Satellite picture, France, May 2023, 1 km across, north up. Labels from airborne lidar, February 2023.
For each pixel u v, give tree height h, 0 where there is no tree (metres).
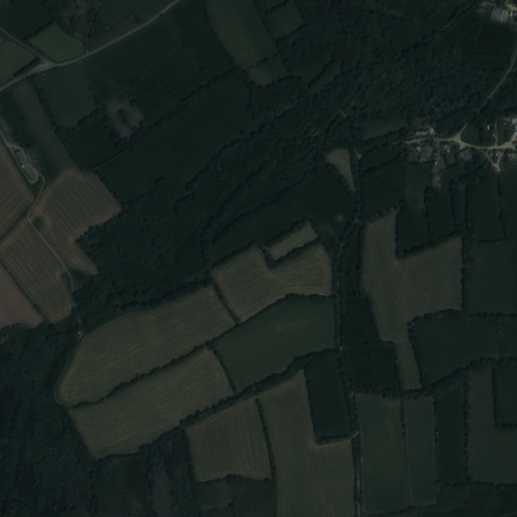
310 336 0
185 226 13
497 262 0
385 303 0
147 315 0
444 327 0
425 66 15
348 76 23
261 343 0
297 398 0
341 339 8
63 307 0
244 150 19
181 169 0
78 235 0
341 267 11
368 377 0
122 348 0
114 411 0
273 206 9
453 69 7
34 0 0
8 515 18
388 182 0
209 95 0
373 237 0
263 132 19
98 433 0
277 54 6
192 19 0
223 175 23
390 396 13
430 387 13
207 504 0
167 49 0
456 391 0
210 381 0
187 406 0
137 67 0
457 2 0
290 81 16
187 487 6
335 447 0
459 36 0
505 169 0
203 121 0
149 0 0
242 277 0
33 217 0
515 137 0
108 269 20
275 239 9
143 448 13
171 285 0
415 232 0
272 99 11
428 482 0
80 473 7
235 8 0
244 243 0
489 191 0
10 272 0
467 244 12
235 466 0
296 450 0
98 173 11
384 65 9
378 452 0
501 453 0
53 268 0
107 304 8
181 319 0
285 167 7
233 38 0
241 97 0
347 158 0
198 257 0
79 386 0
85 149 0
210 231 10
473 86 6
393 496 0
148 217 12
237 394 7
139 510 0
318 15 21
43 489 9
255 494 0
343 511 0
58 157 0
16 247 0
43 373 0
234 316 6
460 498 9
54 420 9
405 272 0
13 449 13
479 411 0
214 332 0
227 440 0
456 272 0
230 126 0
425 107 14
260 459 0
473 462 0
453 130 18
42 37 0
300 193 0
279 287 0
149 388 0
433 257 0
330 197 0
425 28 0
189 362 0
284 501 0
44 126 0
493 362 16
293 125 6
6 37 0
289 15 0
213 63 0
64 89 0
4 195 0
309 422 0
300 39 12
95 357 0
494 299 0
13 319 0
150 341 0
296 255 13
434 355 0
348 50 20
